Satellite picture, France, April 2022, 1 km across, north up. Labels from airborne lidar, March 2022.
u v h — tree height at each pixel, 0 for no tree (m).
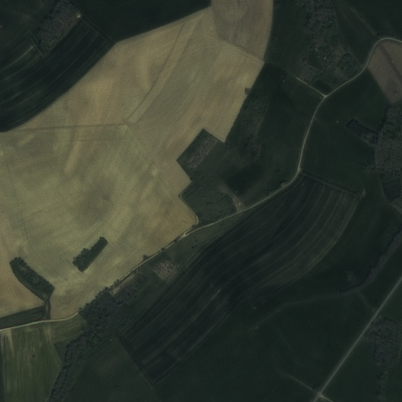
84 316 13
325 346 0
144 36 0
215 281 0
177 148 0
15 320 0
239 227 0
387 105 0
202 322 0
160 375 0
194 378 0
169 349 0
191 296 0
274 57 0
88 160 0
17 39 0
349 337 0
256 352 0
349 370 0
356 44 0
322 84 0
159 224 0
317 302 0
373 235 0
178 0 0
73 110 0
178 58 0
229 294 0
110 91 0
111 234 0
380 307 0
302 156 0
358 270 0
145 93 0
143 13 0
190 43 0
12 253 0
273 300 0
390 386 0
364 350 0
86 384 0
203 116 0
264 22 0
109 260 0
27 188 0
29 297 0
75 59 0
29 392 0
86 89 0
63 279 0
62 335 0
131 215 0
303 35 0
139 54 0
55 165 0
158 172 0
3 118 0
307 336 0
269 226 0
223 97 0
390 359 19
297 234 0
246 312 0
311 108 0
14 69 0
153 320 0
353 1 0
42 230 0
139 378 0
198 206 0
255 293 0
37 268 0
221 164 0
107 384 0
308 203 0
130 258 0
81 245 0
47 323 0
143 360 0
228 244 0
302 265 0
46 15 0
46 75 0
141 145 0
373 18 0
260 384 0
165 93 0
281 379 0
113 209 0
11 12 0
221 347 0
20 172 0
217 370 0
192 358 0
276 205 0
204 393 0
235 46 0
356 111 0
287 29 0
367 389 0
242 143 0
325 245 0
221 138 0
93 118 0
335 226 0
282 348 0
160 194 0
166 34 0
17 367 0
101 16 0
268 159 0
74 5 14
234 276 0
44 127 0
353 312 0
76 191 0
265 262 0
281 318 0
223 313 0
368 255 0
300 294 0
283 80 0
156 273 0
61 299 0
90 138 0
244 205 0
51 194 0
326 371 0
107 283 0
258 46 0
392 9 0
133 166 0
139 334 0
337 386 0
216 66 0
